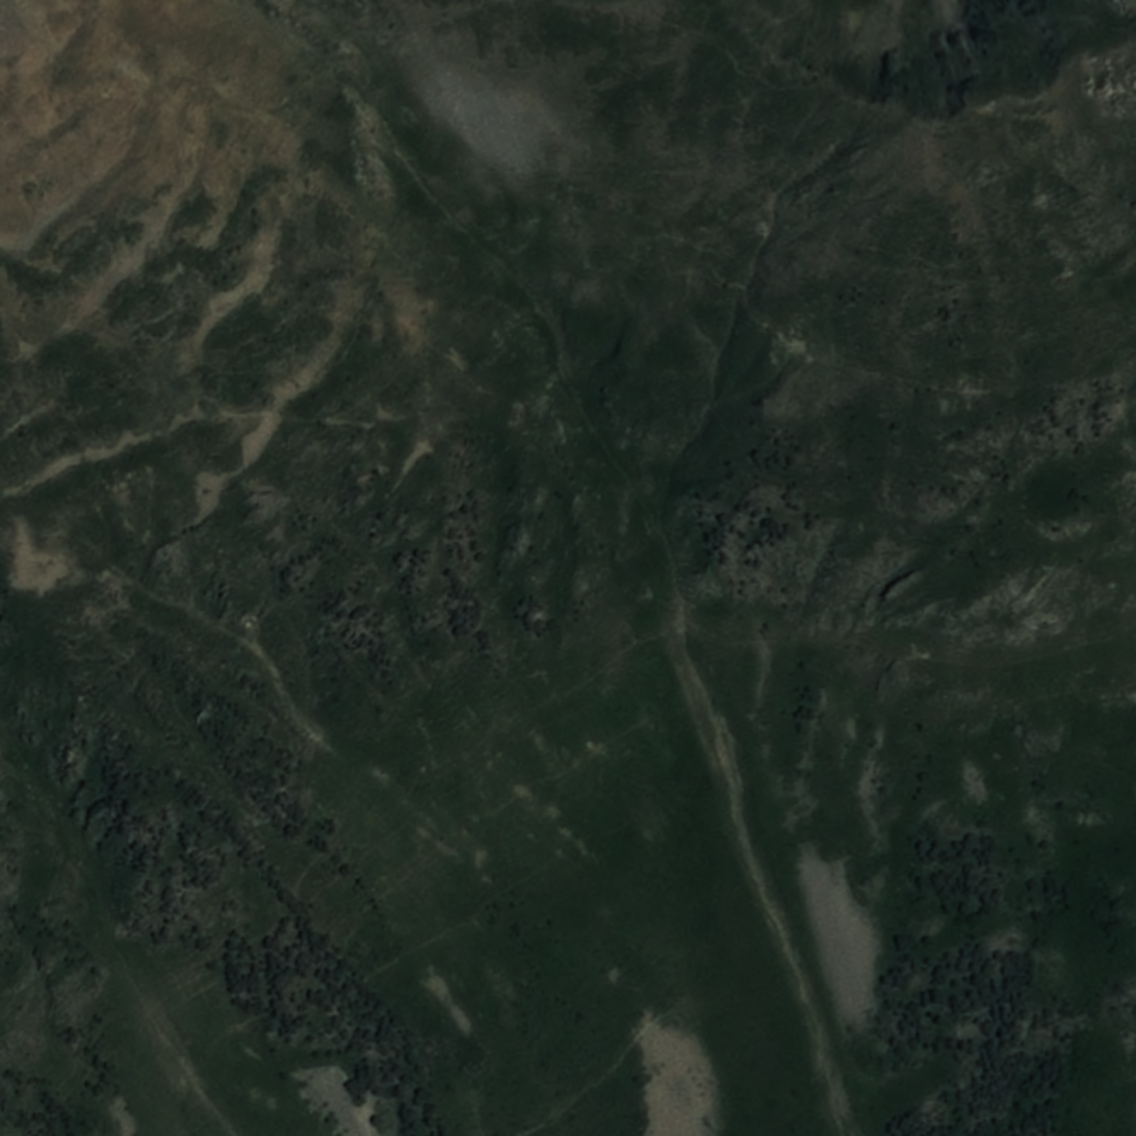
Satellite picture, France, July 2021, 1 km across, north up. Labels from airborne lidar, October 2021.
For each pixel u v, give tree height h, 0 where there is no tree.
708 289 0
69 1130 7
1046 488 0
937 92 0
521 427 0
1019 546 0
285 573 11
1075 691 0
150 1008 0
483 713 0
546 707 0
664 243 0
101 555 0
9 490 0
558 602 0
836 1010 0
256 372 0
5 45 0
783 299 0
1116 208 0
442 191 0
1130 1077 0
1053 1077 20
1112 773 0
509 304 0
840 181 0
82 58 0
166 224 0
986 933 0
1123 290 0
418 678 0
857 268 0
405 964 0
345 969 16
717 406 0
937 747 0
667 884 0
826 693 0
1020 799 0
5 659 0
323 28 0
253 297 0
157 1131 0
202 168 0
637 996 0
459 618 18
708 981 0
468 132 0
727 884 0
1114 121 0
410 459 0
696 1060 0
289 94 0
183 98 0
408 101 0
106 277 0
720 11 0
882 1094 0
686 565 0
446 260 0
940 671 0
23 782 0
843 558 0
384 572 0
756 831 0
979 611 0
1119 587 0
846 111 0
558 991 0
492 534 0
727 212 0
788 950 0
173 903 12
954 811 0
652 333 0
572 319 0
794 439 9
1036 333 0
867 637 0
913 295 0
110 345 0
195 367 0
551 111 0
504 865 0
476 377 0
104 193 0
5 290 0
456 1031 0
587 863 0
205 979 0
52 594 0
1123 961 0
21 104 0
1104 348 0
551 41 0
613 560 0
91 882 0
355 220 0
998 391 0
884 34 0
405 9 0
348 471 7
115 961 0
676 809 0
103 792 9
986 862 11
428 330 0
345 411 0
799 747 0
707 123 0
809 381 0
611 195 0
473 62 0
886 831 0
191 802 9
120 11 0
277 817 13
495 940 0
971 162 0
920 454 0
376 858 0
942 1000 28
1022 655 0
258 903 0
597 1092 0
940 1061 0
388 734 0
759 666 0
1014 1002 14
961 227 0
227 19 0
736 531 17
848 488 0
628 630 0
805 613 0
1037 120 0
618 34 0
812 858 0
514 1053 0
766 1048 0
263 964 6
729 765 0
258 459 0
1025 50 0
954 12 0
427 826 0
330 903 0
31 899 0
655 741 0
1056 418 12
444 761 0
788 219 0
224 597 11
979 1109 10
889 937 0
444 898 0
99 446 0
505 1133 0
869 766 0
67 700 0
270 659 0
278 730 0
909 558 0
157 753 0
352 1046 15
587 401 0
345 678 6
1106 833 0
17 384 0
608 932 0
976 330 0
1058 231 0
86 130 0
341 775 0
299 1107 0
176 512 0
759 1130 0
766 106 0
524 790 0
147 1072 0
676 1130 0
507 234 0
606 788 0
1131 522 0
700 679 0
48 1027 0
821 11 0
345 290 0
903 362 0
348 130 0
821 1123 0
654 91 0
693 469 0
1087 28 0
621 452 0
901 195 0
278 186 0
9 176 0
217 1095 0
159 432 0
